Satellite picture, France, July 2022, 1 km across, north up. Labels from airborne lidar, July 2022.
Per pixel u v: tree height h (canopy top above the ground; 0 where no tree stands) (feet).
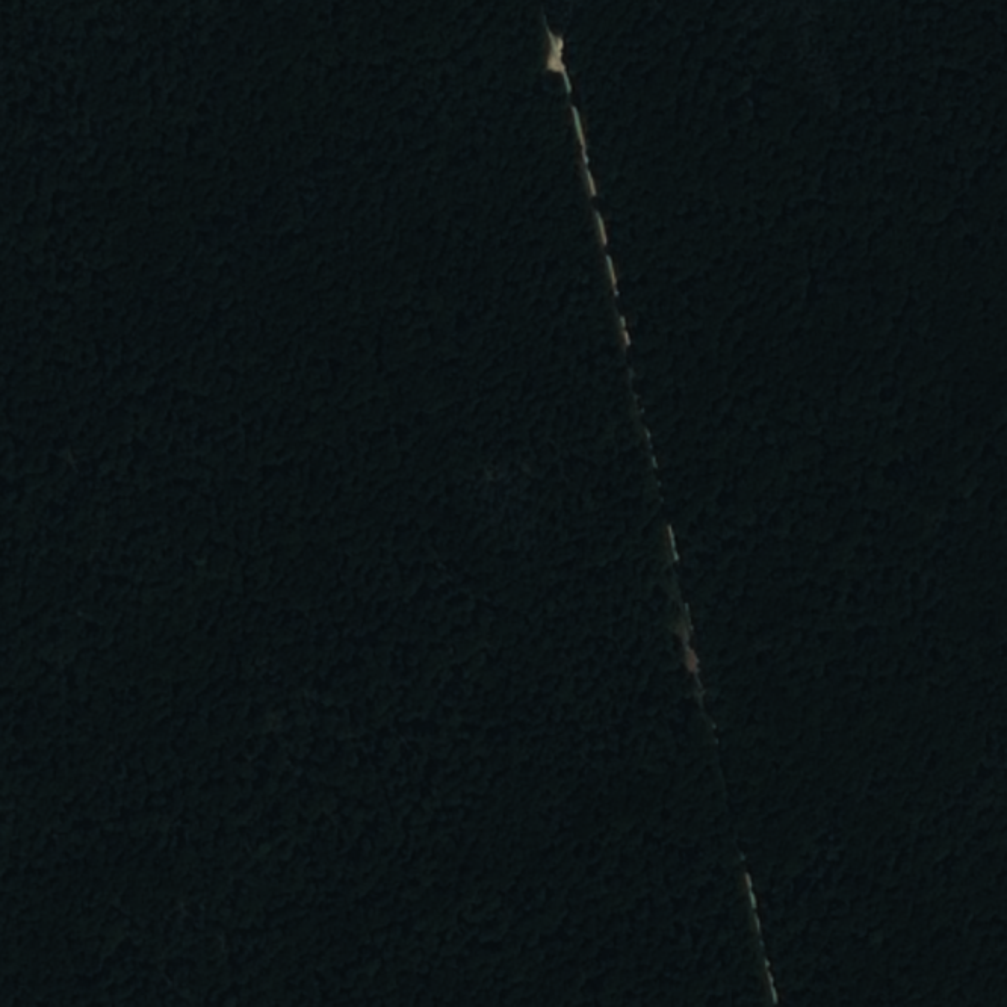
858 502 84
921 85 80
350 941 91
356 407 94
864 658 85
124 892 84
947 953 86
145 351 87
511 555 78
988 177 90
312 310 93
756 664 86
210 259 98
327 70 81
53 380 96
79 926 83
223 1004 95
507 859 77
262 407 83
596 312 85
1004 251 94
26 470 86
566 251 89
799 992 84
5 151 76
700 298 90
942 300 90
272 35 98
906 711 92
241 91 85
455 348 80
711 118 89
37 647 85
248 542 90
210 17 94
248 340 91
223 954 89
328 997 89
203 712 91
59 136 94
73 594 76
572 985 100
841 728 93
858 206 79
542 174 77
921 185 88
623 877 74
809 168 84
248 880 85
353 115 89
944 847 79
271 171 90
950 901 76
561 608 82
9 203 85
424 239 95
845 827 91
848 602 81
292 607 74
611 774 77
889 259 82
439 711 95
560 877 84
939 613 93
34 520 78
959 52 92
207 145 86
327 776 80
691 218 91
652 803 95
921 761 85
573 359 88
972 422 77
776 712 82
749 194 90
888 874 75
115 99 98
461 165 87
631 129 95
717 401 74
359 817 87
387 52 71
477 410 85
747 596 100
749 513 84
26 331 93
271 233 80
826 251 76
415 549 92
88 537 83
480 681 72
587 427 86
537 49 73
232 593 83
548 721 82
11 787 89
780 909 72
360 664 91
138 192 91
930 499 94
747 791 75
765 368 85
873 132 83
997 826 81
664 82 74
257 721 96
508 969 87
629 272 62
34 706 85
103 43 73
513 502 36
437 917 88
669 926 89
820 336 73
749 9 77
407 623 91
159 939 81
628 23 64
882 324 97
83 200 106
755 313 84
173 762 89
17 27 51
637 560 84
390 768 100
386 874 78
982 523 84
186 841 98
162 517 95
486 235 68
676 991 87
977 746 87
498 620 78
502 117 85
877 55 79
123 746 78
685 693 61
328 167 89
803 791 71
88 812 43
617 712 90
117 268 87
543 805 70
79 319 95
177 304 85
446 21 91
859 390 77
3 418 96
